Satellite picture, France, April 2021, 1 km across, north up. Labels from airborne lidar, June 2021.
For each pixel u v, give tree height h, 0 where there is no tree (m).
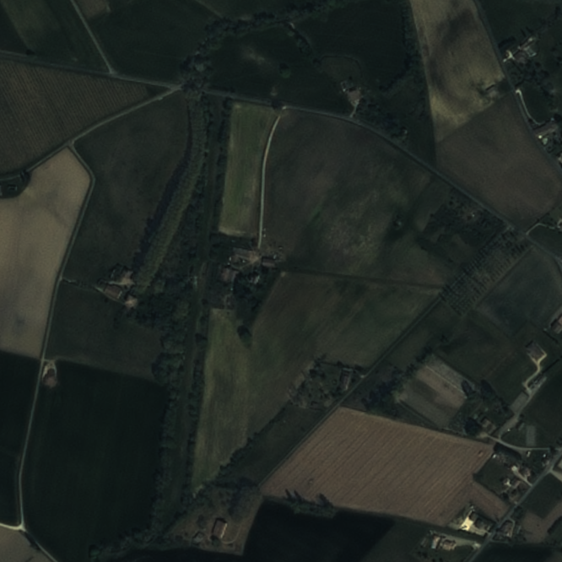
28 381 0
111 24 0
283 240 0
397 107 0
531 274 0
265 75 0
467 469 0
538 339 0
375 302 0
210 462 0
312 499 0
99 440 0
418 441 0
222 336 0
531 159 0
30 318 0
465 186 0
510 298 0
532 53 0
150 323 15
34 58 15
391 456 0
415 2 0
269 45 0
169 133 0
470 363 0
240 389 0
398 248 0
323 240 0
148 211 0
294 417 0
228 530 0
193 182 32
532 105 0
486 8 0
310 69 0
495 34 0
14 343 0
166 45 0
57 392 0
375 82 0
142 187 0
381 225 0
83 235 0
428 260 0
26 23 0
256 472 0
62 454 0
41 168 0
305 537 0
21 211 0
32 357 0
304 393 12
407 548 0
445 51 0
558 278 0
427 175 0
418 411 0
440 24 0
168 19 0
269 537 0
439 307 0
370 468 0
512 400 0
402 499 0
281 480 0
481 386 0
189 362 0
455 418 0
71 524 0
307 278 0
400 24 0
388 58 0
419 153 0
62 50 0
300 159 0
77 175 0
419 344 0
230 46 0
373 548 0
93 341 0
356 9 0
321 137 0
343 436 0
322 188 0
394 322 0
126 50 0
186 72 21
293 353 0
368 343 0
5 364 0
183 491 8
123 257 0
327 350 0
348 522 0
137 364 0
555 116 0
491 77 0
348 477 0
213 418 0
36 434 0
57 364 0
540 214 0
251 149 0
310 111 0
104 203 0
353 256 0
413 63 23
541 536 0
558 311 0
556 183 0
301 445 0
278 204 0
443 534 0
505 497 6
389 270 0
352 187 0
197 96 29
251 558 0
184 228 10
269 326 0
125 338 0
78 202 0
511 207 0
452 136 0
